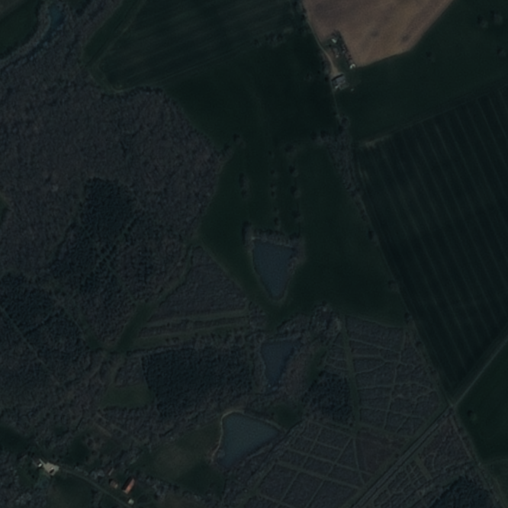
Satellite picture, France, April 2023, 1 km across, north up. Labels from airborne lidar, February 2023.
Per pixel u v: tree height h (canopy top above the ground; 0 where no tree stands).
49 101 11
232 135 0
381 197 0
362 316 0
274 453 8
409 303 0
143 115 23
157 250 11
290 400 6
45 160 24
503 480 0
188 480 0
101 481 10
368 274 0
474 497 12
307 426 8
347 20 0
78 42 16
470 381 0
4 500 11
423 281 0
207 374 13
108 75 0
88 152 19
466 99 0
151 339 0
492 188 0
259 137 0
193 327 7
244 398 15
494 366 0
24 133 18
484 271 0
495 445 0
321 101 0
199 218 6
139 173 21
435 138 0
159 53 0
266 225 0
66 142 21
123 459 13
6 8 0
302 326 8
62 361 12
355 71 0
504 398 0
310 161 0
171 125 17
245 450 0
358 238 0
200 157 17
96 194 15
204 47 0
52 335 10
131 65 0
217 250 0
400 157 0
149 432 8
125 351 0
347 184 10
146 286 12
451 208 0
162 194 21
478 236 0
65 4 12
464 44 0
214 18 0
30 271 20
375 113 0
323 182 0
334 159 12
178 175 25
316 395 9
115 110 18
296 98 0
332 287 0
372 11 0
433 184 0
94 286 12
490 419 0
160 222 16
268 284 0
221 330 0
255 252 0
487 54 0
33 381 13
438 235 0
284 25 0
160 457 0
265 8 0
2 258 11
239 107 0
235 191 0
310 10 0
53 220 14
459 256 0
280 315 0
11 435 0
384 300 0
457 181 0
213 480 0
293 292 0
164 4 0
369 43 0
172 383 14
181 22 0
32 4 0
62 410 12
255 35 0
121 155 18
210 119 0
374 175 0
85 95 24
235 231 0
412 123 0
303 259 16
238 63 0
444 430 7
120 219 14
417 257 0
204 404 12
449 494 12
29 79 21
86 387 9
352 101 0
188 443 0
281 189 0
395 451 0
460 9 0
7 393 13
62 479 0
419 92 0
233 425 0
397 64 0
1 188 18
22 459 12
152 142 19
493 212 0
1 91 21
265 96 0
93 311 10
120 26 0
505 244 0
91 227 11
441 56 0
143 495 0
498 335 0
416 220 0
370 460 0
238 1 0
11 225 18
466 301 0
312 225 0
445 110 0
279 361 0
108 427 13
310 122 0
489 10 0
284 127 0
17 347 16
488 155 0
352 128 0
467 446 14
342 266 0
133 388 0
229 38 0
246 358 9
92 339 0
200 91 0
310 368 0
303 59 0
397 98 0
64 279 12
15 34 0
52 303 14
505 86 0
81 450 0
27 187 21
